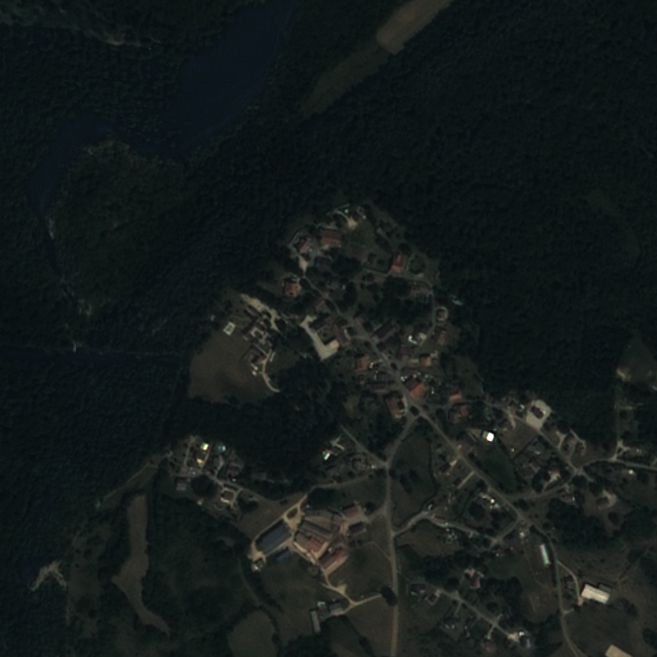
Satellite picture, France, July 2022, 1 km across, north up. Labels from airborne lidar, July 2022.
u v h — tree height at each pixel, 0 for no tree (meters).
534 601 0
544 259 15
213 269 19
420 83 16
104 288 9
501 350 23
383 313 8
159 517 12
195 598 14
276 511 0
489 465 0
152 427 19
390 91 23
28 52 32
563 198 13
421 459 0
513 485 0
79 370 25
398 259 0
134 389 18
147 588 14
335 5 11
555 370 16
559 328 16
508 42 13
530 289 17
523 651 0
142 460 10
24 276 19
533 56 16
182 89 24
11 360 33
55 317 20
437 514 0
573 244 15
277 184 25
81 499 11
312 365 23
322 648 7
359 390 11
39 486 18
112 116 23
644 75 16
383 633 0
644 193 8
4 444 29
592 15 19
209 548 13
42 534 12
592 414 9
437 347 0
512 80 17
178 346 14
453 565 13
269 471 14
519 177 15
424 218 19
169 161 15
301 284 10
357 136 20
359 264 15
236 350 0
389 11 11
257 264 22
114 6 29
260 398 0
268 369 0
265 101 11
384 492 0
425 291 0
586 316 14
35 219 17
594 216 14
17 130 24
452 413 0
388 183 21
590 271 14
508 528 0
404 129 14
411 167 18
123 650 0
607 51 19
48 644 6
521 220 10
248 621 0
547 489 0
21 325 28
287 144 16
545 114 13
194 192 14
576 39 15
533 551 0
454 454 0
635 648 0
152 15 15
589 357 14
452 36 18
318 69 15
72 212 20
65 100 27
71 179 21
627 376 0
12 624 12
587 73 18
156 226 13
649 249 12
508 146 12
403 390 0
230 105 10
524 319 16
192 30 24
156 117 42
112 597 11
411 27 0
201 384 0
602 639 0
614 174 21
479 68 14
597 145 17
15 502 29
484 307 16
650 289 13
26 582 34
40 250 21
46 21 17
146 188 20
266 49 11
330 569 0
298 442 25
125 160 20
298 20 10
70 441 23
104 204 17
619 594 0
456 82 16
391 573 0
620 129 19
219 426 19
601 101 20
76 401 20
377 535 0
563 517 21
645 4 22
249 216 22
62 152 16
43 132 18
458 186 16
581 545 9
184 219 14
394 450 0
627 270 11
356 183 17
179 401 17
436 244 14
